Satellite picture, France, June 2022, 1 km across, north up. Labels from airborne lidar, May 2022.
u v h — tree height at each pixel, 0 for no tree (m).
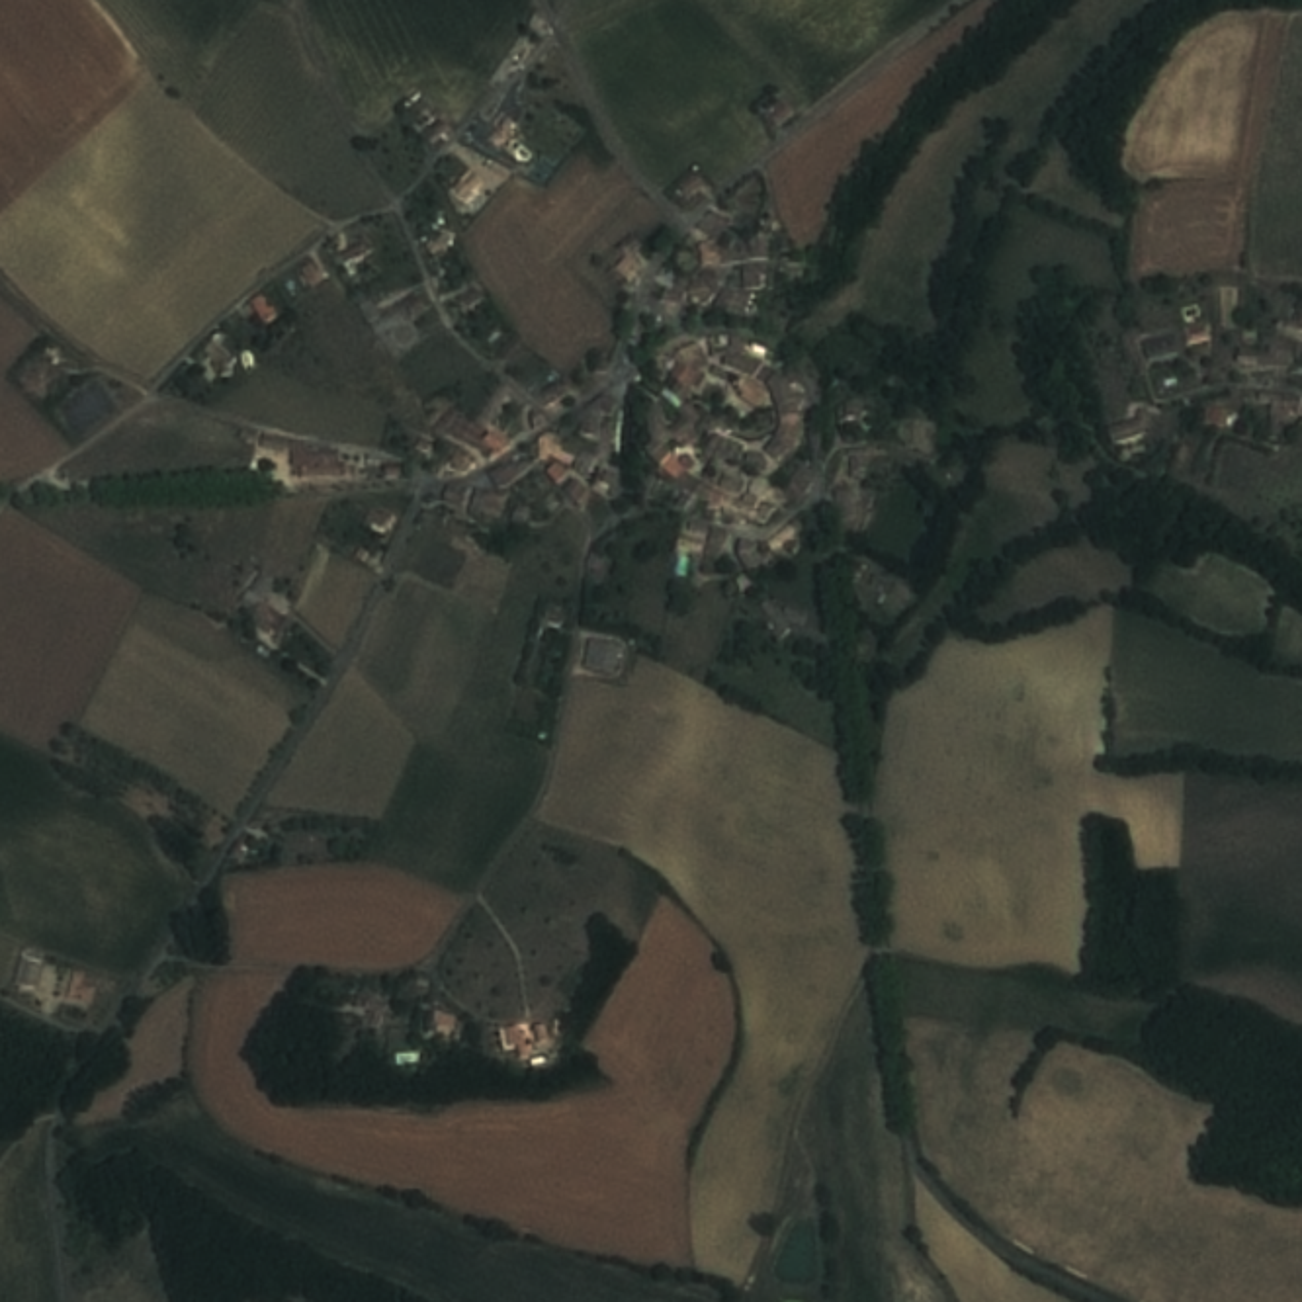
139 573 0
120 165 0
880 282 0
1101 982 12
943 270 22
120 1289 0
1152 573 12
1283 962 0
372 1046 10
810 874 0
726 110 0
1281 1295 0
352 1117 0
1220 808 0
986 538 0
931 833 0
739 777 0
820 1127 0
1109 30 0
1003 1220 0
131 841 0
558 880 0
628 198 0
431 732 0
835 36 0
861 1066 0
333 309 0
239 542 0
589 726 0
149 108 0
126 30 0
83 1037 12
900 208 0
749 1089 0
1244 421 6
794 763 0
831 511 21
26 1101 11
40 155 0
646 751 0
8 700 0
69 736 21
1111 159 14
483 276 0
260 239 0
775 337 20
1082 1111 0
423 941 0
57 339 0
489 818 0
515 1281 0
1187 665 0
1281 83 0
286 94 0
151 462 0
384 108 0
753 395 0
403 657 0
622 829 0
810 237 0
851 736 19
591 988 16
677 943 0
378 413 0
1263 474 0
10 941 0
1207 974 0
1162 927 18
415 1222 0
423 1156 0
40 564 0
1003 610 0
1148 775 15
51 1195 0
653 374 15
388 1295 15
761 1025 0
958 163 0
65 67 0
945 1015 0
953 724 0
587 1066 13
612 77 0
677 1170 0
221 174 0
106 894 0
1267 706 0
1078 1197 0
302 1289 18
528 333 0
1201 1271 0
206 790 0
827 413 19
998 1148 0
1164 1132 0
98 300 0
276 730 0
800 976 0
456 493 0
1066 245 0
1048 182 0
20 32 0
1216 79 0
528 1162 0
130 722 0
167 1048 0
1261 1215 0
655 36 0
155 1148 0
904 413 12
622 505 15
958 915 0
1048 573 0
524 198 0
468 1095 15
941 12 0
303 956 0
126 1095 0
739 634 13
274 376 0
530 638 7
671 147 0
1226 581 0
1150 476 12
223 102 0
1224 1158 16
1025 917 0
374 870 0
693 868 0
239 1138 0
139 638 0
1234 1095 16
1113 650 0
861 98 0
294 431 0
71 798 0
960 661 0
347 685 0
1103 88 21
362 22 0
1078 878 0
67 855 0
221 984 0
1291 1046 12
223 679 0
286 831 8
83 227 0
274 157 0
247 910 0
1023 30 21
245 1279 15
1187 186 0
